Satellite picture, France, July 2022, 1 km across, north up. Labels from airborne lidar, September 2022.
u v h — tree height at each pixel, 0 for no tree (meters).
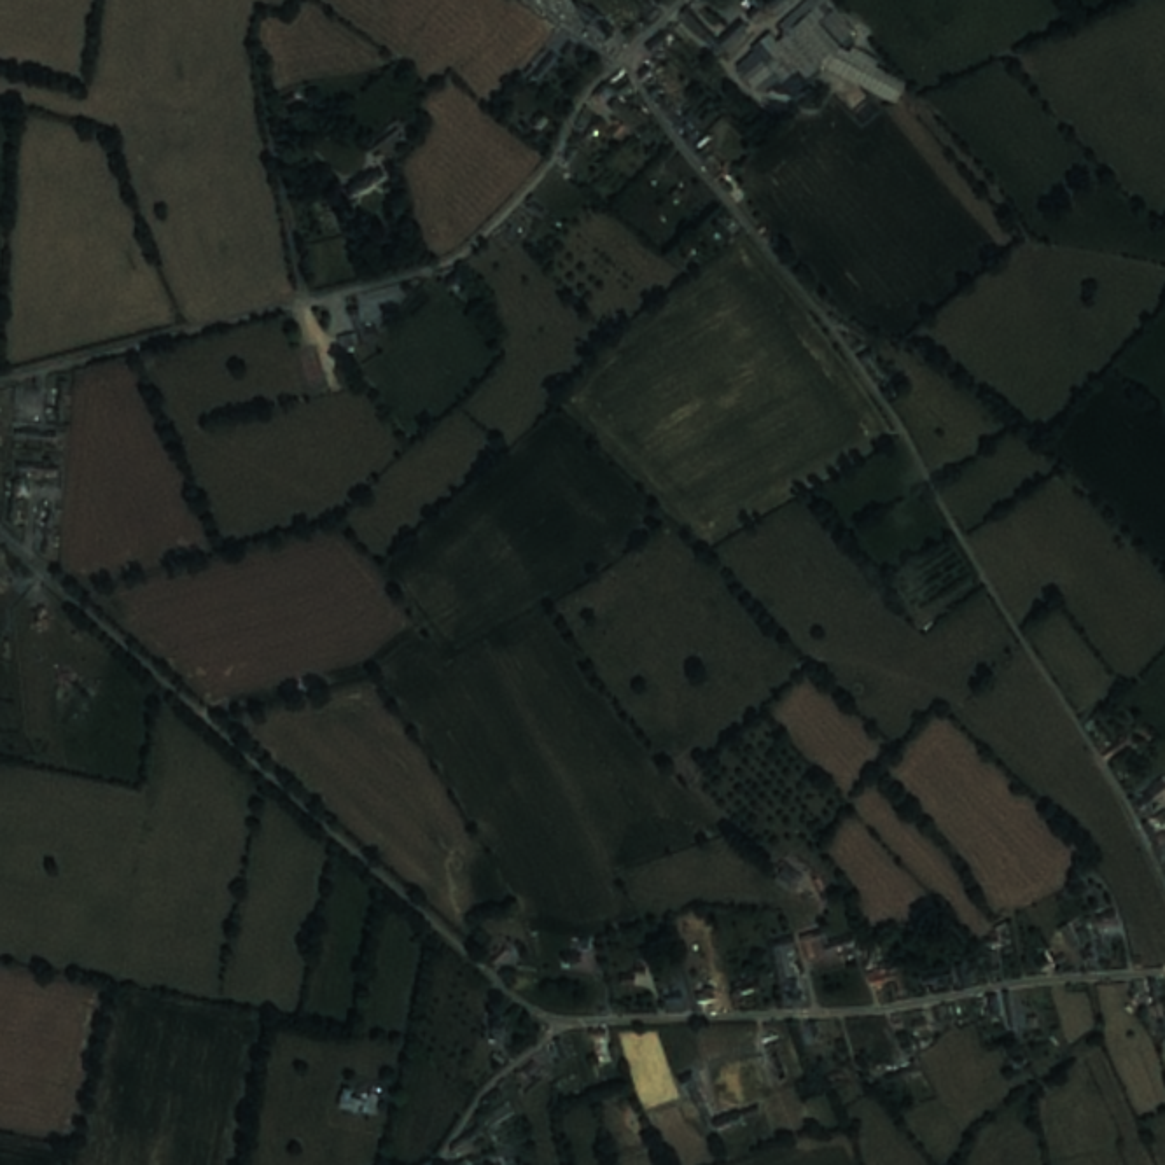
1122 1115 0
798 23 0
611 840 0
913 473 0
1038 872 0
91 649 0
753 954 9
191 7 0
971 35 0
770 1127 0
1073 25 15
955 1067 0
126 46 0
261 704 9
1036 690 0
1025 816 0
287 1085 0
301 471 0
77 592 15
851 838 0
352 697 0
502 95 10
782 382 0
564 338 0
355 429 0
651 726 0
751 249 0
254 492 0
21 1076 0
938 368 19
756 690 0
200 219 0
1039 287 0
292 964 0
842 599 0
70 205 0
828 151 0
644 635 0
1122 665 0
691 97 6
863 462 22
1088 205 0
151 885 0
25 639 0
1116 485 0
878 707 0
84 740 0
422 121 9
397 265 25
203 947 0
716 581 0
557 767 0
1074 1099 0
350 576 0
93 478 0
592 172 6
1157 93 0
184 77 0
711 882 0
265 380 0
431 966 12
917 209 0
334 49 0
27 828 0
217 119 0
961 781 0
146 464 0
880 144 0
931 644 0
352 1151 0
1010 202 9
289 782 18
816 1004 0
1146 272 0
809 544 0
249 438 0
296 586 0
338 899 0
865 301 0
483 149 0
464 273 9
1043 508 0
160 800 0
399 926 0
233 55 0
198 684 0
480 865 0
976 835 0
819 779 18
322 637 0
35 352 0
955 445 0
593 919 0
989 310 0
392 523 0
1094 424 0
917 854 0
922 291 0
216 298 0
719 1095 0
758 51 0
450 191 0
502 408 0
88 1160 0
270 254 0
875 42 10
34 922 0
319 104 6
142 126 0
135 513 0
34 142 0
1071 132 12
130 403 0
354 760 0
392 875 12
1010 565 0
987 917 6
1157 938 0
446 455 0
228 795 0
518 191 0
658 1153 14
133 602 0
